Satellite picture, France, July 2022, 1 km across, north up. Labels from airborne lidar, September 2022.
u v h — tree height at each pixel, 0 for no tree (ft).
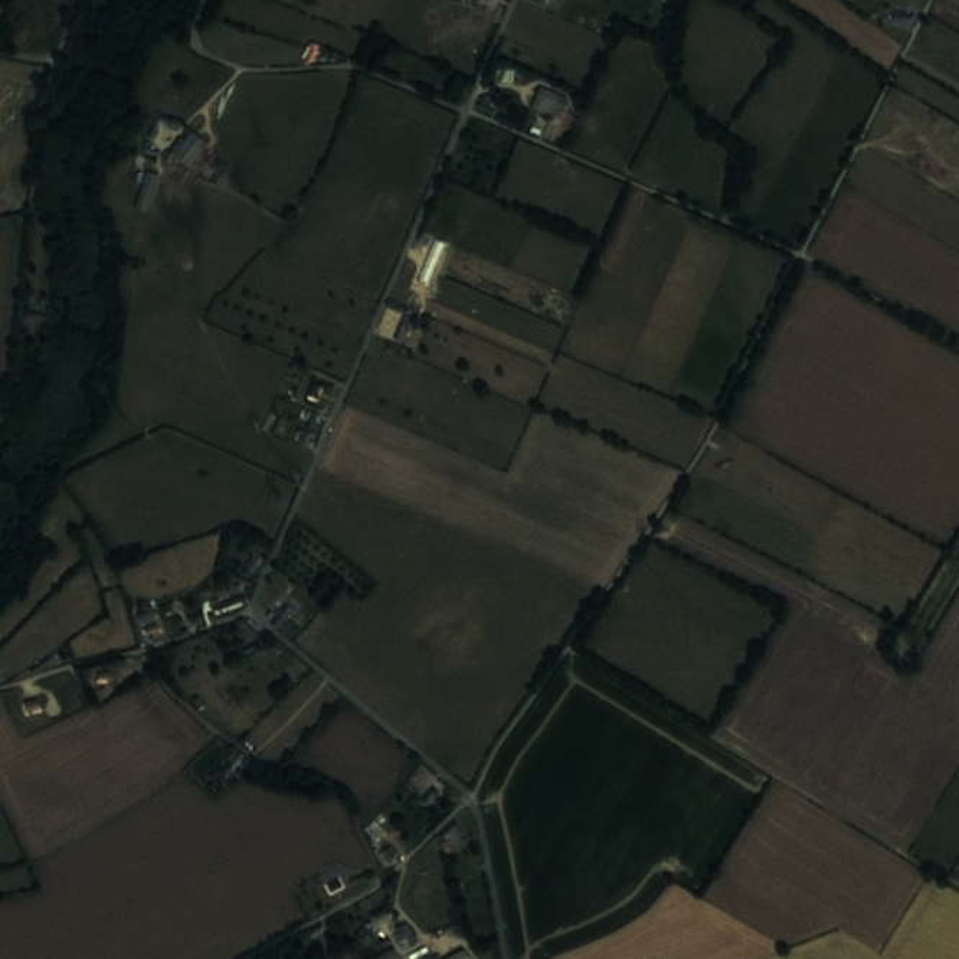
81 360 0
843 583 0
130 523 0
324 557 19
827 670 0
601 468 0
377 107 0
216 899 0
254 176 0
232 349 0
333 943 58
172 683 41
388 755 0
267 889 0
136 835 0
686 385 0
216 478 0
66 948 0
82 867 0
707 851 0
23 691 0
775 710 0
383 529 0
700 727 43
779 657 0
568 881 0
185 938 0
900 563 0
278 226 0
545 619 0
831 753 0
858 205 0
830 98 0
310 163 0
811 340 0
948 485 0
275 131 0
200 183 0
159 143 0
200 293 0
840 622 0
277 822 0
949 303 0
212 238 0
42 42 0
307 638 0
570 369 0
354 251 0
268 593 0
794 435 0
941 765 0
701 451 0
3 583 78
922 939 0
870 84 0
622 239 0
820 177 0
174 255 0
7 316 0
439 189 38
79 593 0
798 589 0
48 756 0
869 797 0
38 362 32
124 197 0
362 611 0
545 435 0
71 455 25
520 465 0
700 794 0
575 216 0
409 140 0
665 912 0
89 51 54
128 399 0
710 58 0
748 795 0
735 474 0
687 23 61
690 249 0
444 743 0
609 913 0
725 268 0
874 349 0
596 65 49
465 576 0
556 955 0
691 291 0
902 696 0
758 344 21
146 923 0
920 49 0
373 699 0
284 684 32
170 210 0
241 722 0
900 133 0
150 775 0
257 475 0
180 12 42
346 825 0
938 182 0
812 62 0
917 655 60
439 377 0
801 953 0
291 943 33
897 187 0
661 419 0
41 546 62
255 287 0
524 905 0
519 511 0
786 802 0
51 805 0
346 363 0
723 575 42
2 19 31
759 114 0
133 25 21
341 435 0
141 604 21
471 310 0
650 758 0
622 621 0
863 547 0
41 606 28
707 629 0
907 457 0
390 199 0
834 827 0
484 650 0
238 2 0
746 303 0
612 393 0
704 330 0
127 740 0
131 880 0
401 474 0
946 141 0
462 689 0
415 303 0
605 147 0
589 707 0
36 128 62
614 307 0
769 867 0
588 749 0
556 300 0
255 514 0
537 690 28
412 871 0
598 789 0
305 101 0
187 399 0
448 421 0
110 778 0
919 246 0
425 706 0
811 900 0
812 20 48
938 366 0
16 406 25
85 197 35
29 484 47
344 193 0
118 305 41
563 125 0
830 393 0
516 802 0
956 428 0
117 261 60
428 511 0
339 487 0
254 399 0
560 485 0
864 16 21
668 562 0
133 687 42
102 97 68
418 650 0
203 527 0
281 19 0
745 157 54
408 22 0
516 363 0
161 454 0
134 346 0
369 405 0
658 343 0
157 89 0
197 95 0
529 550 0
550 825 0
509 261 0
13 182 0
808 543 0
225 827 0
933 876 60
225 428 0
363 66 40
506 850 0
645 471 0
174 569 0
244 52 0
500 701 0
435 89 34
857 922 0
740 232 41
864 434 0
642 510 0
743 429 0
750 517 0
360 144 0
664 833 0
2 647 22
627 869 0
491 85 34
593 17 0
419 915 0
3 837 0
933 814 0
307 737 25
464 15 0
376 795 0
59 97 31
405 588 0
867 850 0
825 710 0
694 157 0
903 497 0
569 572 0
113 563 59
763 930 0
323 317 0
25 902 0
